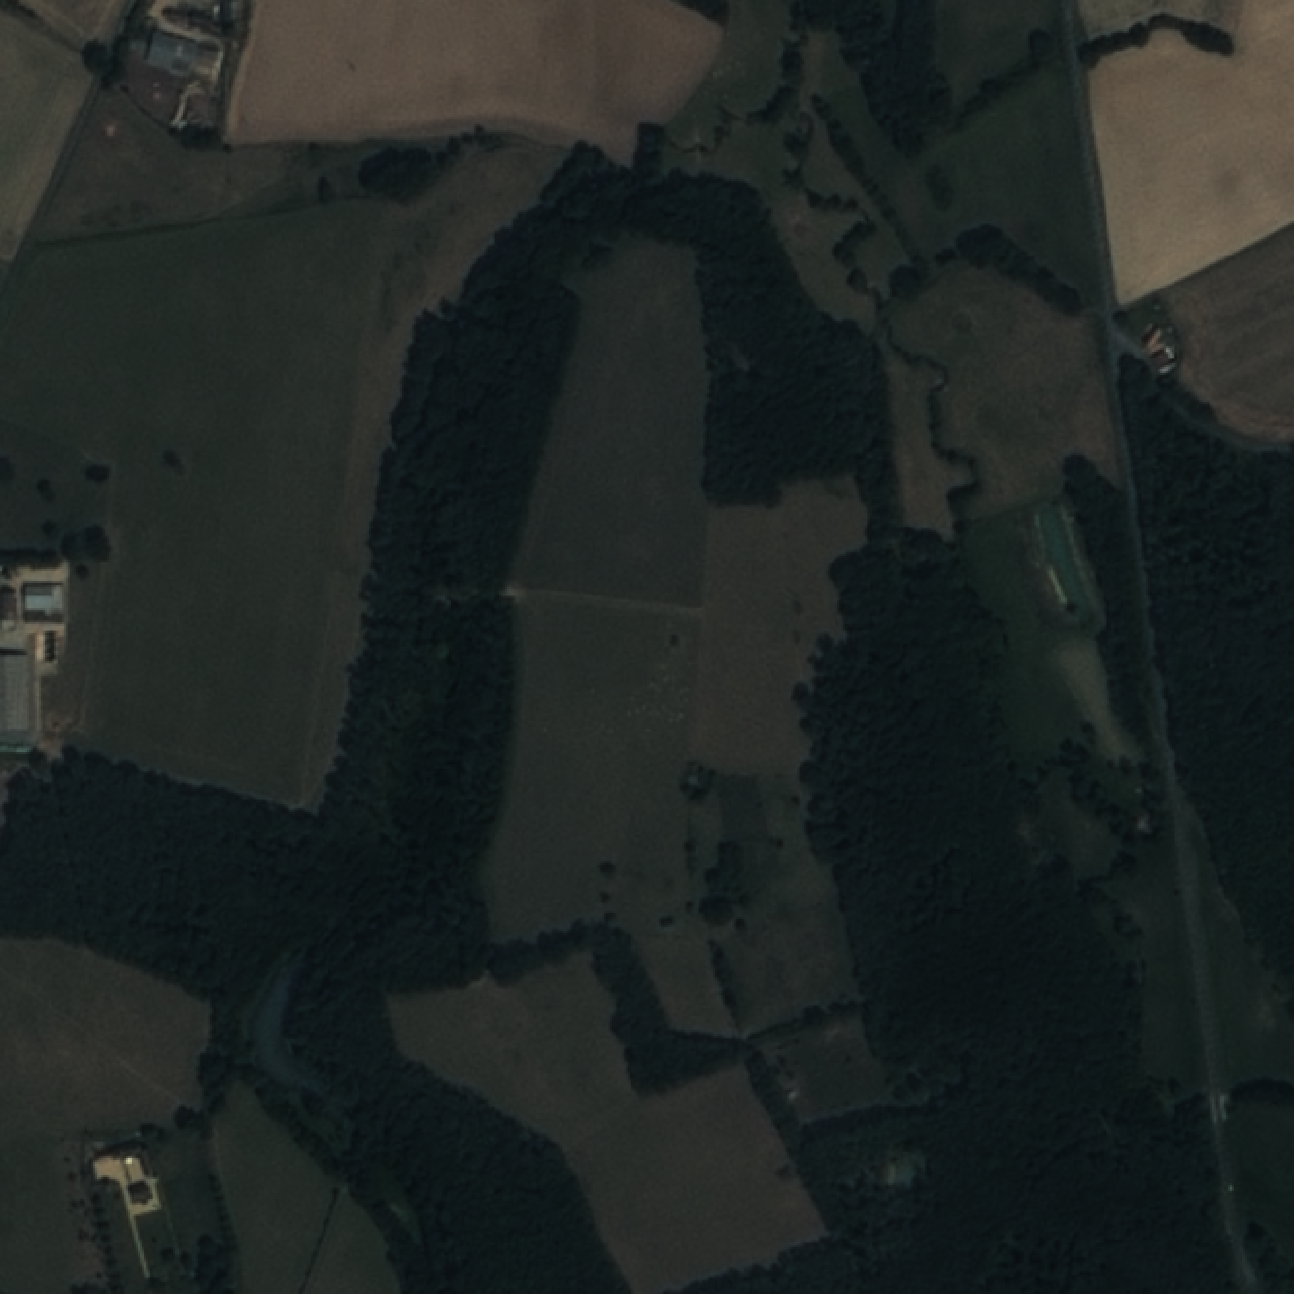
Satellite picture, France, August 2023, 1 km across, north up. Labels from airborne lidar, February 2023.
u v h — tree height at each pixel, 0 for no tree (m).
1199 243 0
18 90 0
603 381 0
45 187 0
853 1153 21
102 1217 8
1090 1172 24
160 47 0
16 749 0
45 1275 0
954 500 12
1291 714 23
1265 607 17
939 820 20
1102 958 18
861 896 15
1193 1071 0
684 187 22
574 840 0
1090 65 12
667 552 0
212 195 0
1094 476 16
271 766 0
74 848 21
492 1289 24
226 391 0
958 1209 19
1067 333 0
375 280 0
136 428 0
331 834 22
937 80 19
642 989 17
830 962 0
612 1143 0
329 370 0
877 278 0
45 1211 0
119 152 0
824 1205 18
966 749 24
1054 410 0
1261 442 0
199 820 21
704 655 0
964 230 0
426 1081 16
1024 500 0
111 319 0
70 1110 0
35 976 0
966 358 0
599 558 0
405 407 10
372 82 0
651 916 0
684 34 0
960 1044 15
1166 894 0
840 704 16
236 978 18
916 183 0
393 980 19
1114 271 0
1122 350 0
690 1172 0
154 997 0
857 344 23
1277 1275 15
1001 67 0
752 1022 0
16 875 19
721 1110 0
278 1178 0
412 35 0
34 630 0
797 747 0
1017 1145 22
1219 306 0
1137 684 14
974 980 17
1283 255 0
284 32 0
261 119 0
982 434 0
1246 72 0
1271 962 18
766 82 0
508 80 0
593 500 0
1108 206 0
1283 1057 0
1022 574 0
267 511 0
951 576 20
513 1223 20
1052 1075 24
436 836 10
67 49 0
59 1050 0
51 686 0
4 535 0
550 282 20
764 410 14
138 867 19
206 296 0
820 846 15
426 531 9
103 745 0
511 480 19
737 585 0
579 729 0
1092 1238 23
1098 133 0
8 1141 0
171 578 0
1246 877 20
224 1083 13
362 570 0
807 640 0
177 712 0
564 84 0
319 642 0
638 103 0
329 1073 23
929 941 16
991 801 25
